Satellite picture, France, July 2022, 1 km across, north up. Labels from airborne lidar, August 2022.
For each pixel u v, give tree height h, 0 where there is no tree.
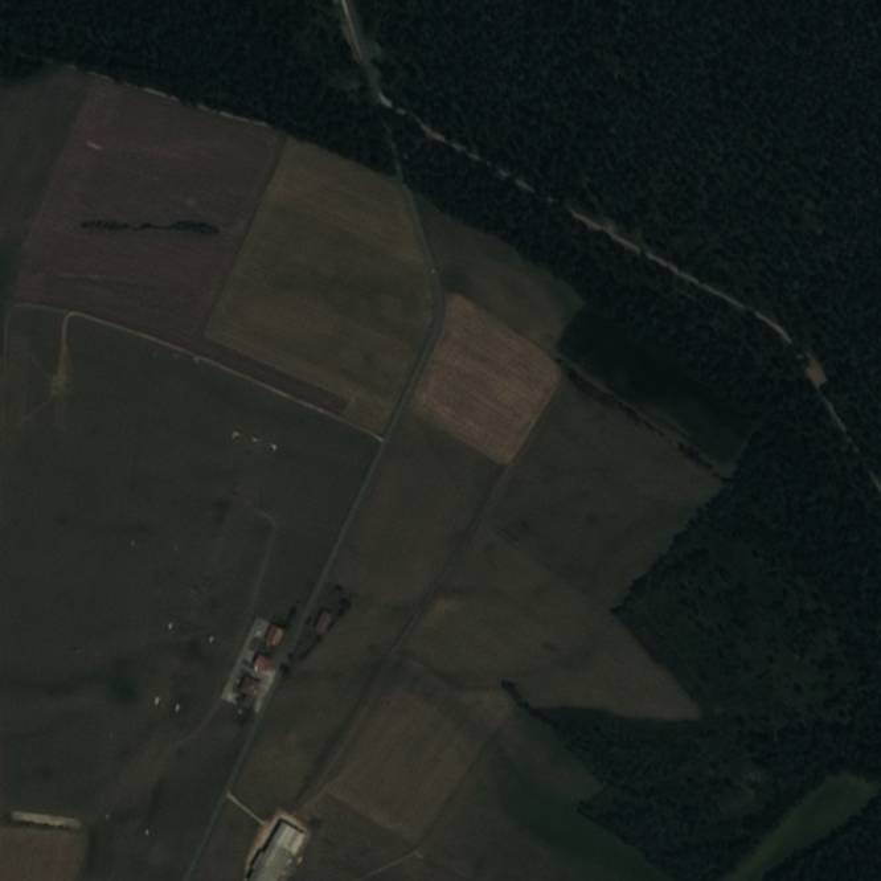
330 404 0
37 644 0
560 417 0
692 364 14
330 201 0
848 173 30
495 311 0
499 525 0
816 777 17
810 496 17
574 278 21
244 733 0
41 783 0
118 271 0
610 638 0
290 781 0
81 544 0
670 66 31
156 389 0
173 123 0
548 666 0
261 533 0
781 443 19
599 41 35
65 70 0
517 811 0
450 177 25
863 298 28
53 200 0
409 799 0
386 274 0
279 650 0
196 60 21
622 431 0
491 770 0
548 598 0
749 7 31
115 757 0
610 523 0
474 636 0
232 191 0
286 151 0
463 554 0
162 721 0
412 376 0
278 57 26
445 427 0
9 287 0
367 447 0
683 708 0
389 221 0
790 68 32
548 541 0
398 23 5
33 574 0
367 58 0
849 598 21
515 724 0
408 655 0
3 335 0
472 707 0
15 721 0
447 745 0
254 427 0
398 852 0
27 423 0
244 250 0
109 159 0
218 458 0
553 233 26
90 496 0
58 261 0
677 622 0
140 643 0
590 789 0
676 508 0
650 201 6
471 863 0
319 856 0
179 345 0
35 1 23
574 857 0
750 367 28
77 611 0
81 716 0
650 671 0
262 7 7
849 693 14
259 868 0
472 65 28
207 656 0
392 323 0
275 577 0
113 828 0
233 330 0
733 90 30
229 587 0
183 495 0
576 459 0
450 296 0
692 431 0
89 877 0
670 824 21
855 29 33
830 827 0
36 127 0
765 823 14
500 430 0
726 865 14
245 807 0
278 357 0
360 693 0
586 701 0
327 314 0
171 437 0
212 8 21
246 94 18
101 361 0
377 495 0
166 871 0
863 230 24
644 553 0
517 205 27
